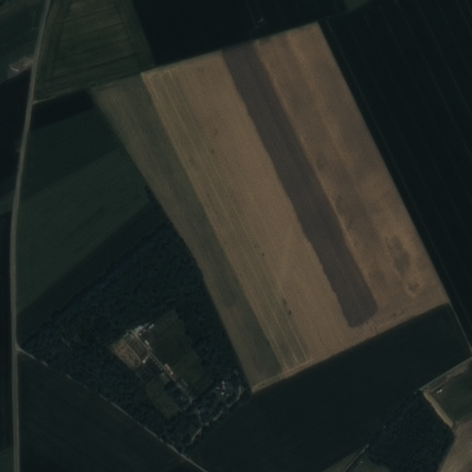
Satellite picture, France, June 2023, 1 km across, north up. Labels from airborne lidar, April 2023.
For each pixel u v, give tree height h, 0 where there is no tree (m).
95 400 0
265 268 0
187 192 0
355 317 0
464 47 0
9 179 0
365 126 0
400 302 0
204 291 21
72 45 0
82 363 22
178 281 26
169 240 24
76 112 0
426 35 0
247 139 0
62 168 0
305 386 0
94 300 23
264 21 0
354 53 0
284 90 0
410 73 0
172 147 0
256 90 0
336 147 0
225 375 13
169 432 14
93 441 0
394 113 0
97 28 0
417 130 0
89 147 0
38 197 0
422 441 16
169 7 0
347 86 0
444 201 0
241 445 0
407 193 0
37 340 18
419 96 0
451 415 0
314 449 0
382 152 0
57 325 20
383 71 0
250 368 0
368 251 0
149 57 0
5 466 0
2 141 0
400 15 0
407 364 0
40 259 0
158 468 0
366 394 0
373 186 0
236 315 0
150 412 18
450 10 0
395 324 0
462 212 0
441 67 0
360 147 0
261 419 0
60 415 0
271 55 0
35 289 0
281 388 0
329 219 0
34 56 0
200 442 9
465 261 0
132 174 0
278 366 0
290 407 0
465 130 0
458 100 0
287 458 0
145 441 0
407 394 0
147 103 0
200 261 0
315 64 0
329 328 0
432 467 13
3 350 0
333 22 0
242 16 0
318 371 0
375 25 0
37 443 0
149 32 0
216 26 0
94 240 0
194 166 0
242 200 0
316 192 0
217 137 0
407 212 0
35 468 0
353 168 0
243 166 0
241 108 0
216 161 0
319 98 0
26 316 0
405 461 18
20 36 0
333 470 0
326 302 0
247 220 0
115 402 7
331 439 0
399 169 0
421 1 0
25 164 0
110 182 0
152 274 26
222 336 16
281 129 0
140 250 21
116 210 0
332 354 0
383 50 0
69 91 0
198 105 0
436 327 0
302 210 0
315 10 0
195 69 0
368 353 0
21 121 0
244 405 0
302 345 0
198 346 13
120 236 0
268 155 0
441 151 0
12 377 0
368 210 0
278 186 0
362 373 0
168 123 0
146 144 0
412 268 0
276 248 0
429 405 13
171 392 14
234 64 0
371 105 0
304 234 0
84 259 0
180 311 11
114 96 0
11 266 0
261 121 0
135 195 0
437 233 0
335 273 0
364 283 0
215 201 0
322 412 0
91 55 0
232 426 0
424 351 0
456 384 0
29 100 0
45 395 0
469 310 0
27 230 0
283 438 0
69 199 0
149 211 0
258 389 0
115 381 19
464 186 0
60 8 0
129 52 0
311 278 0
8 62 0
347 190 0
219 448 0
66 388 0
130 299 28
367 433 0
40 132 0
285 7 0
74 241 0
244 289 0
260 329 0
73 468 0
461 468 0
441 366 0
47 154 0
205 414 18
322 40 0
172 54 0
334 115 0
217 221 0
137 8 0
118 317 26
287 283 0
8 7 0
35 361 0
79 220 0
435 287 0
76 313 23
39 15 0
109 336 17
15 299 0
